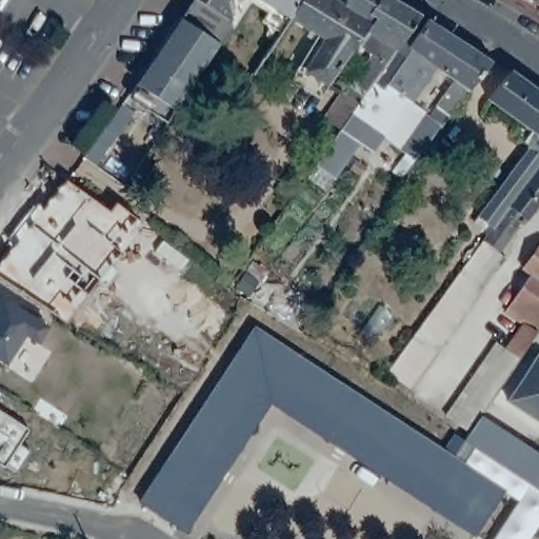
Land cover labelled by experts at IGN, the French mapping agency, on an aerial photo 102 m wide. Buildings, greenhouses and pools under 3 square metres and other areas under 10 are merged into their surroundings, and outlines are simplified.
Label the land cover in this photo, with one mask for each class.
<instances>
[{"label":"impervious surface","instance_id":"1","mask_svg":"<svg viewBox=\"0 0 539 539\"><path fill-rule=\"evenodd\" d=\"M194 0H0V11L13 15L15 21L8 23V29L21 32V38L25 42L53 36L59 25H65V29L72 36V40H67L63 48H57L48 57V63L40 67H25L0 48V263L19 242L17 227L23 221V217L32 213L36 206H46L57 196L59 187L67 183L69 175L88 179L93 185L103 189L101 198L97 200L105 208L122 206L128 213V219L133 221H147V217L156 213L164 221L179 225L183 232L189 234L192 240L200 244L211 236L215 246H223L232 240H240L242 236L253 238L257 234V227L265 225L270 221V213H274V181H267L263 196L248 206L232 204V208L227 211L219 204L208 206L202 219H187L185 215L164 206L147 204L141 208L137 194L126 192L122 185L116 177L105 175L101 168L86 158V154L72 145L78 133L86 126V122L93 118V114L105 101L107 95L112 97L118 109L124 105L128 95L137 93L139 80L152 65V61L158 57V53L179 25L183 13L189 11ZM421 11L423 15H430L432 21L440 23L451 34L470 42L484 57H491L495 61L491 72H480L470 97L467 118H472L478 124V105L482 107L491 99L510 72H520L539 86V0H402ZM282 19H284V17H282V13H278V11H276V15H274V13H265L267 34H274V32L278 29V25L282 23ZM295 78L303 84V88L318 99V109L326 116L333 109L337 95L331 88H324L322 82L310 76V72L303 67H301L297 69ZM451 88V80L444 78L442 69H438L421 91V95L413 99L417 107L430 114L438 109L446 91ZM488 145L497 149V156L501 160H505L501 171L493 168L495 183L488 189V194L493 196L501 183H505L512 168L524 156L528 147L526 145L514 147V143L507 137V126L501 122H488L484 128ZM413 156L408 143L398 147L390 143L385 137L377 147L362 143L356 147V158L347 162L343 173L354 171L358 175V181L345 196L341 206H337L335 211L331 223V227L337 225L341 215L345 213V206L358 200V194L364 189L366 181L379 168L394 173L404 156ZM312 181L322 189L333 185L335 181L326 168L320 166H316V171L312 173ZM539 248V211L533 215L531 221L522 223L516 229L514 238L505 246V263L493 276L484 293L476 286L484 276L486 267L480 270L478 265L467 261L461 274L451 284V288L440 299V303L415 333V337L400 354L392 371L398 381L404 387L413 390L417 400H423L427 406H442V411L448 413L470 385V381L476 377L478 368L491 356L493 347H505L512 343V339L520 335L522 324L516 322V312L512 310V303L526 282L528 259ZM318 244H322V232L318 229L314 234L303 261H299L293 267V278H297L303 272L310 259L316 255ZM158 257L166 259V263L183 272L187 267V259L183 253L164 242L158 246ZM259 291L251 297L255 303H263L265 307H270V316H276L280 322H284L288 331L299 326L297 312L299 305H303L301 293L288 291H284L278 284H267V272H263L261 280L257 282ZM0 310L36 316L38 310L0 284ZM539 368V333L537 343L526 350V354L505 381L503 394L495 400V408L491 413H478L465 430L467 436L476 432V425L480 421H491L518 442L539 453V421L512 402L516 398L528 396L524 387L531 381L533 373ZM51 356V350H46L40 343H32L29 339H25L17 350L15 358L6 366H0V377L13 371L25 381H34ZM38 415L59 425L65 423V413H61L46 400H38ZM282 501L295 505V522L288 524L295 539H305L301 524L316 510L320 514H328L331 528L324 531L322 539H333V528L345 524L347 520H352L354 535L358 539H467L470 531L457 526L453 520L434 512L400 486L385 482L383 478H377L368 470H360L352 455L326 442L322 436H318L316 432H312L310 427L288 417L276 406H272L265 413L259 432L251 436L244 451L234 461L229 472L223 476L219 488L215 491V495L211 497V501L206 503V507L202 510L192 528H175L156 512L143 507L139 499L137 497L133 501H126L120 497L116 507H107L84 499L61 497L32 488L0 486V522L8 520V524L29 528L40 535L51 533L55 535V539H253L251 528L257 524V520L263 518V512ZM516 507V499L510 497L505 503L499 501L495 505L493 514L484 522L491 526L486 539H499L501 526Z\"/></svg>","mask_w":539,"mask_h":539},{"label":"building","instance_id":"2","mask_svg":"<svg viewBox=\"0 0 539 539\"><path fill-rule=\"evenodd\" d=\"M257 4L265 13H274V15H276V11H278V13H282V17H297L299 23H303V38H320L314 51L310 53V61L303 67L310 72V76L322 82L324 88H331L337 95L333 109L326 116V120L333 122V133L337 135L335 154L326 158L320 166L326 168L335 181L343 173L347 162L356 158V147L362 143L377 147L385 137L390 143L398 147L408 143L411 137L434 139L438 131L446 124L451 109L461 99L470 97L480 72H491L495 61L491 57H484L470 42L451 34L440 23L432 21L430 15H423L421 11L402 0H194L189 11L183 13L179 25L158 53V57L152 61V65L139 80L137 93L128 95L124 105L118 109L109 126L101 133V137L86 154V158L101 168L107 164L105 147L120 145V137L126 135V126L133 122L135 112H145L149 116L154 109L164 114L160 122L166 124V131L177 124V114L183 109L181 101L185 97V86L189 78H194L215 57L221 46H227L229 29L238 27L248 6ZM356 48L364 55V61L371 67L368 76L360 84L339 82V67L350 59V55ZM438 69H442L444 78L451 80V88L446 91L438 109L430 114L417 107L413 99L421 95V91ZM491 99L533 128V133L526 139V145L528 147L524 156L512 168L505 183H501L493 196L488 194L484 202L474 208L472 219H484L488 227L482 234H478L484 240V244L476 253H470L467 261L478 265L480 270L486 267L484 276L476 286L484 293L493 276L505 263V246L514 238L516 229L522 223L531 221L533 215L539 211V86L520 72H510ZM415 158L413 156H404L394 173L400 175L413 168ZM114 223H118V229H126L133 221L128 219V213L122 206L105 208L97 200L67 183L59 187L57 196L46 206H36L32 213L23 217V221L17 227L19 242L0 263V284L38 310L36 316L0 310V366H6L15 358L17 350L25 339H29L32 343H40L48 328L57 314L63 320H69L74 310L84 301L86 293H91L99 284L101 272L118 259L112 248H120V238H114L107 232L105 238H101L103 232ZM526 282L512 303V310L516 312V322L522 324L520 335L512 339V343L505 347H493L491 356L478 368L476 377L470 381V385L448 413V421L455 427L465 430L478 413H491L495 408V400L503 394L505 381L526 354V350L537 343L539 333V248L528 259ZM263 272H267L265 265H251L248 272H238L236 284L242 286V293L246 299L251 297L259 291L257 282L261 280ZM272 406H276L288 417L310 427L312 432H316L318 436H322L326 442L352 455L360 470H368L377 478H383L385 482L400 486L434 512L453 520L457 526L470 531L467 539H486L491 526L484 522L493 514L495 505L499 501L505 503L510 497L516 499V507L501 526L499 539H539V453L518 442L491 421H480L476 425V432L467 436L465 440L453 438L446 446H440L430 438L421 436L419 432L411 430L377 404L368 402V398L337 381L301 354H295V350H288L274 337L265 335V331L253 328L242 347L238 350V354L234 356V360L229 362L227 371L223 373V377L219 379V383L215 385V390L211 392V396L185 430L183 438L177 442L166 463L162 465L145 495L139 499L143 507L156 512L175 528H192L202 510L206 507V503L211 501V497L215 495V491L219 488L223 476L229 472L234 461L244 451L251 436L259 432L265 413ZM528 396L516 398L512 402L539 421V368L533 373L531 381L524 387ZM32 430V423L23 419V423H17L0 411V461H8L13 470H19L23 465L27 448H23L21 438Z\"/></svg>","mask_w":539,"mask_h":539},{"label":"herbaceous vegetation","instance_id":"3","mask_svg":"<svg viewBox=\"0 0 539 539\"><path fill-rule=\"evenodd\" d=\"M320 38H303V23H299L297 17H284V19H282V23L278 25V29L274 32V34H267L265 13L257 4L248 6L238 27L229 29L227 46H221L215 57L223 65H229L234 59L242 63H248V72H255L257 67L265 69L267 61L274 55L295 59L297 53L299 57H303L301 67H303L310 61V53L314 51ZM270 124L263 131H257L253 139V143L270 162V168L263 173V179L267 181H274V187H280V183L291 175L293 166L286 164V156L295 154V143L301 131H320V122L326 120V116L318 109V99L303 88L295 95V99L284 97L282 103L267 101L259 107ZM470 97L461 99L451 109L446 124L438 131L434 139L411 137L408 143L413 156L415 158L448 154L457 145L470 141L478 149H484L488 145L484 128L478 124L472 118H467ZM164 114L154 109L149 116L145 112H135L133 122L126 126V135L120 137V145L105 147L107 164L101 168L105 175L116 177L122 185L128 187L135 183L141 189H152L158 179L166 177V185L171 192L164 198V206L185 215L187 219H202L208 206L219 204L221 198L208 196L204 189H198L189 181V177L183 175V166L179 162L164 160L166 143H175L177 152L192 154L194 143L198 139L181 133L177 124L166 131V124L160 122ZM404 185L400 175L379 168L366 181L364 189L358 194V200L345 206V213L341 215L337 225L347 242L358 240L360 244H364L368 229H373L375 223L387 213L392 198ZM423 194L432 198V204L417 208L413 215H404L402 225H419L425 232V238L430 240V246L434 248V257L438 259L444 240L457 236V227L444 223L438 217L440 211L448 208L453 198L451 194H446V181L440 175H427ZM474 208H463V223L467 225L470 236L455 246V253L448 259V263L436 272L434 280L427 284L423 293V301L402 303L394 284L385 276L379 255L375 253L362 255L364 261L356 270L358 291L354 297H345L335 303L333 288L326 286L335 276V270L328 263H324L320 270L324 286L305 284L291 282L288 291L301 293L303 305L331 307L333 326L320 339L307 337V333H303L299 326L288 331L284 322H280L276 316H270V307H265L263 303H255L251 297L246 299L242 293L236 320L242 326L238 328L236 337L219 358L217 366L213 368V373L208 375V379L183 413L181 421L171 432L168 440L164 442V446L139 480L135 491L137 497L139 499L145 495L162 465L166 463L177 442L183 438L185 430L211 396V392L215 390V385L219 383V379L223 377V373L227 371L229 362L234 360V356L238 354V350L242 347L253 328L265 331V335L274 337L288 350H295V354H301L337 381L368 398V402L377 404L411 430L419 432L421 436L430 438L440 446H446L453 438L465 440L467 436L465 430L455 427L448 421V413L442 411V406H427L423 400H417L413 390L404 387L398 381L396 385H385L383 381L371 375V362L375 360H379L392 371L400 354L390 345V339L406 324L415 333L440 303V299L451 288V284L461 274L467 261L470 253H476L484 244V240L478 234H482L488 227L484 219H472ZM381 307L392 312V320L375 333L371 328V322L375 320ZM200 244L211 257H215V261H221L223 246H215L211 236ZM122 301H112L107 305L118 318V324L114 326V333L109 337L116 339L128 352H139L143 360H149L168 381H175L179 385L177 390H160L158 383H152L141 392L139 398H131L137 381L143 375V368L135 366L124 358L95 350L91 343L74 337L67 331H61L59 326L48 328L40 343L46 350H51V356L34 381H25L13 371L0 377V381L19 390L21 394H25L27 400L34 402L27 408L15 402L13 398L0 394V411L17 423H23V419L32 423V430L21 438L23 448H27L23 465L19 470H13L8 461H0V486L32 488L61 497L84 499L107 507H116L120 497L116 495V486L126 488L131 474L143 459L149 444L160 434L166 419L173 415L175 406L181 402L192 383L204 375V366L198 364V371H187L171 358L158 356L156 347L164 341L166 333L143 328L141 324L124 318ZM38 400H46L61 413H65V423L78 436L97 440L101 448L95 453H91L82 442L72 440L67 434H61L59 425L38 415Z\"/></svg>","mask_w":539,"mask_h":539},{"label":"deciduous trees","instance_id":"4","mask_svg":"<svg viewBox=\"0 0 539 539\"><path fill-rule=\"evenodd\" d=\"M15 21L13 15L0 11V48L25 67H40L48 63V57L57 48H63L67 40H72V36L65 29V25H59L53 36L25 42L21 38V32L8 29V23ZM371 67L364 61V55L356 48L350 55V59L339 67V82L360 84L368 76ZM303 57H299L297 53L295 59L274 55L267 61L265 69L257 67L255 72H248V63H242L240 74L244 76L246 86L251 88V97L259 107L267 101L282 103L284 97L295 99V95L303 88V84L295 78L297 69L301 67ZM118 109L112 97L107 95L105 101L93 114V118L86 122V126L78 133L72 145L86 154L101 137V133L109 126ZM337 135L333 133V122L326 120L320 122V131H301L295 143V154L286 156V164L293 166L291 175L280 183V187H274V213H270V221L265 225L257 227V234L253 238L251 251H257L263 238L274 234L276 221L293 204L295 198L301 196V192H310L314 198H320L322 189L312 181V173L316 171V166H320L326 158L335 154ZM164 160L179 162L183 166V175L189 177V181L198 189H204L208 196L221 198L219 204L227 211L232 208V204L248 206L263 196L267 181L263 179V173L270 168V162L253 143V139L244 137L236 147L227 149L225 145H213L198 139L194 143L192 154L177 152L175 143H166ZM505 160H501L497 156V149L488 145L484 149H478L470 141L457 145L448 154L415 158L413 168L400 175L404 185L392 198L387 213L375 223L373 229H368L364 244H360L358 240L347 242L337 225L331 227V223L326 219H320L322 232V244H318L316 255L310 259L303 272L307 274L305 284L324 286L320 270L324 263H328L335 270V276L326 286L333 288L335 303L345 297H354L358 291L356 270L364 261L362 255L375 253L379 255L385 276L394 284L402 303L423 301V293L427 284L434 280L436 272L448 263V259L455 253V246L470 236L467 225L463 223V208H474L484 202L488 194V189L495 183L493 168L501 171ZM427 175H440L446 181V194H451L453 198L448 208L440 211L438 217L444 223L457 227V236L444 240L438 259L434 257V248L430 246V240L425 238V232L419 225H402L404 215H413L417 208L432 204V198L423 194ZM358 181V175L354 171L343 173L335 181L333 185L337 194L335 198L326 200V206L335 211L337 206H341L345 196ZM152 232H156V236L164 242L183 253L187 259L204 267L213 278L221 276V261H215V257H211L200 244L192 240L189 234L183 232L179 225L164 221L156 213L147 217V221ZM299 326L303 333H307V337L320 339L333 326L331 307L303 305H299L297 312ZM415 337V333L406 324L390 339V345L400 354ZM371 375L383 381L385 385H396L398 381L392 371L379 360H375L371 362ZM295 522V505L282 501L263 512V518L257 520V524L251 528L253 539H295L288 524ZM331 528L328 514H320L316 510L301 524L305 539H322L324 531ZM333 539H358L354 535L352 520H347L345 524L333 528Z\"/></svg>","mask_w":539,"mask_h":539},{"label":"pervious surface","instance_id":"5","mask_svg":"<svg viewBox=\"0 0 539 539\"><path fill-rule=\"evenodd\" d=\"M107 232L114 238H120V248H112L118 259L101 272L99 284L91 293H86L84 301L74 310L69 320L76 326H93L103 337H109L114 333V326L118 324V318L107 305L112 301H122L124 318L141 324L143 328L166 333L164 341L156 347L158 356L171 358L187 371H198V364L204 366V375L192 383L181 402L175 406L173 415L166 419L160 434L149 444L143 459L131 474L126 488L116 486V495L120 497L126 501H133L137 497L135 491L139 480L164 446V442L168 440L171 432L181 421L183 413L208 379V375L213 373V368L217 366L219 358L236 337L238 328L242 326L236 320L229 326V333L223 337V341L217 347H213V337L217 335L225 318V312L211 297H204L196 284L183 280V272L166 263V259L158 257V246L164 242L156 236V232H152L147 221H133L126 229H118V223H114L103 232L101 238H105Z\"/></svg>","mask_w":539,"mask_h":539},{"label":"brushwood","instance_id":"6","mask_svg":"<svg viewBox=\"0 0 539 539\"><path fill-rule=\"evenodd\" d=\"M478 124L484 128L488 122H501L507 126V137L514 143V147L526 145V139L533 133V128L491 99L482 107L478 105ZM67 183L97 200L101 198L103 189L93 185L88 179L69 175ZM337 194L333 185L322 189L320 198H314L310 192H301V196L295 198L293 204L276 221L274 234L263 238L257 251H251L253 238L242 236L240 240H232L223 246L221 261V276L213 278L204 267L187 259V267L183 272V280L196 284L204 297H211L225 312V318L217 335L213 337V347H217L223 341V337L229 333V326L236 320L242 293V286L236 284L238 272H248L251 265H265L267 272V284H278L284 291H288L291 282L305 284L307 274L303 272L297 278H293V267L299 261H303L314 234L318 229L322 232L320 219H326L331 223L335 211L326 206V200L335 198ZM59 326L61 331H67L74 337L91 343L95 350L124 358L135 366L143 368V375L137 381L131 398H139L141 392L152 383H158L160 390H177L179 385L175 381H168L149 360H143L139 352H128L116 339L109 337H103L93 326H76L69 320H63L57 314L48 328ZM0 394L13 398L15 402L27 408L34 402L27 400L25 394H21L19 390L0 381ZM61 434H67L72 440L82 442L91 453H95L101 448L97 440L78 436L65 423L59 425ZM0 539H55V535L51 533L40 535L29 528L8 524V520L0 522Z\"/></svg>","mask_w":539,"mask_h":539},{"label":"coniferous trees","instance_id":"7","mask_svg":"<svg viewBox=\"0 0 539 539\"><path fill-rule=\"evenodd\" d=\"M242 63L234 59L229 65H223L215 57L194 78H189L185 86V97L181 101L183 109L177 114V124L181 133L198 139L213 145H225L227 149L236 147L244 137L253 139L257 131H263L270 124L259 107L251 97V88L246 86L244 76L240 74ZM126 192L137 194L141 208L147 204L164 206V198L171 192L166 185V177L158 179L152 189H141L135 183L128 187L122 185Z\"/></svg>","mask_w":539,"mask_h":539},{"label":"greenhouse","instance_id":"8","mask_svg":"<svg viewBox=\"0 0 539 539\"><path fill-rule=\"evenodd\" d=\"M392 320V312L381 307L375 320L371 322V328L375 333Z\"/></svg>","mask_w":539,"mask_h":539}]
</instances>
